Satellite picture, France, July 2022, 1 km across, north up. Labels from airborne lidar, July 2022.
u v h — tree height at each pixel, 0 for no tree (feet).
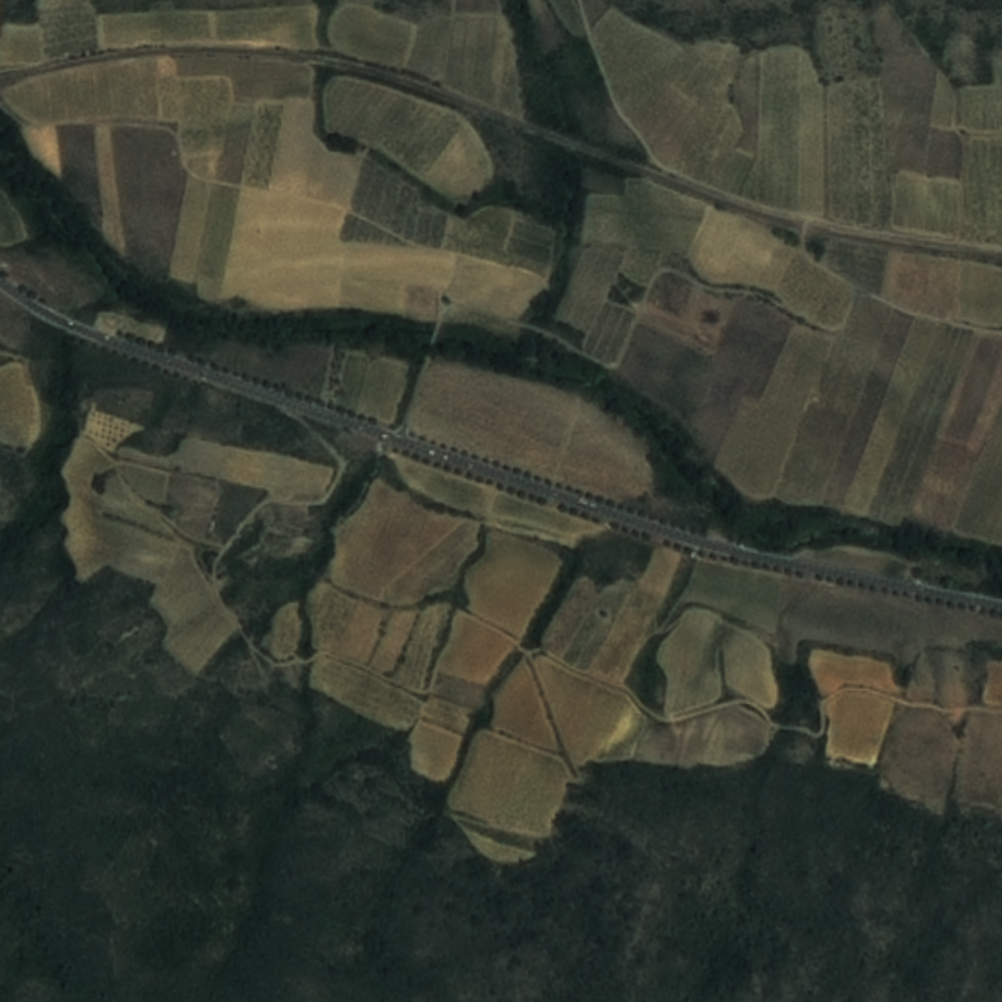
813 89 0
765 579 0
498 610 0
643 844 0
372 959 20
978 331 0
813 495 0
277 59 0
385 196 0
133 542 0
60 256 0
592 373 41
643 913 0
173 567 0
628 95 0
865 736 0
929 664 0
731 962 20
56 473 41
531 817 0
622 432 0
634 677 0
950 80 0
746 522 20
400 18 0
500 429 0
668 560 0
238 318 49
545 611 23
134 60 0
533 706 0
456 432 0
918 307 0
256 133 0
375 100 0
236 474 0
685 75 0
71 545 0
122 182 0
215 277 0
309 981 0
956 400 0
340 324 20
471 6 0
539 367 50
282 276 0
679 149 0
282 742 0
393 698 0
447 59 0
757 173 0
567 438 0
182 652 0
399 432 0
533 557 0
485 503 0
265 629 19
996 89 0
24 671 0
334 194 0
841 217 0
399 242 0
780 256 0
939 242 0
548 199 23
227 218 0
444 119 0
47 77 0
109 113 0
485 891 19
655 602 0
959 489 0
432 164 0
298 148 0
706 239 0
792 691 34
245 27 0
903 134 0
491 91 0
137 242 0
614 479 0
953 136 0
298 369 0
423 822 17
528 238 0
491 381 0
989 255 0
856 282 0
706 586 0
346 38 0
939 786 0
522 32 21
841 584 26
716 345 0
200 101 0
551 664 0
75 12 0
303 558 25
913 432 0
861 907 0
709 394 0
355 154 46
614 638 0
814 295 0
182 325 41
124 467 0
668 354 0
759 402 0
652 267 0
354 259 0
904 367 0
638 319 0
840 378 0
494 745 0
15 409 0
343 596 0
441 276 0
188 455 0
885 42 0
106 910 0
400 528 0
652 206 0
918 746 0
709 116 0
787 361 0
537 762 0
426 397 0
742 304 0
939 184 0
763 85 0
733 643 0
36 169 43
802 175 0
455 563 0
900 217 0
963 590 21
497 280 0
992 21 0
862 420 0
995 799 0
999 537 0
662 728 0
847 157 0
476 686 0
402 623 0
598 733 0
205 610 0
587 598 0
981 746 0
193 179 0
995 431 0
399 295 0
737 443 0
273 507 0
